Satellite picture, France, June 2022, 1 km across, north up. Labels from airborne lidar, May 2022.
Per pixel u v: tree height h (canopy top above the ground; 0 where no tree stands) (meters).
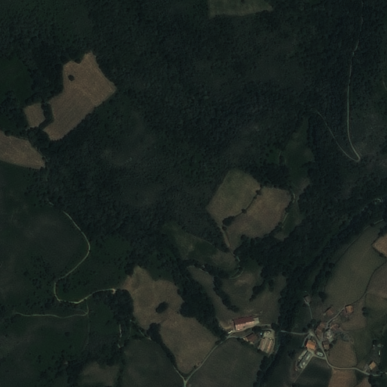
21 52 15
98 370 0
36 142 12
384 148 10
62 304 13
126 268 12
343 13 24
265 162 12
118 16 15
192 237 0
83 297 0
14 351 0
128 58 20
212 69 11
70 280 9
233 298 0
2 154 0
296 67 0
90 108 0
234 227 0
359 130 0
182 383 0
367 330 0
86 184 17
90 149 9
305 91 13
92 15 10
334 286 0
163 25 19
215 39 10
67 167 20
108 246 0
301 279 19
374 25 12
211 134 7
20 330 0
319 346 0
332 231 11
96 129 6
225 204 0
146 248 8
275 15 6
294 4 19
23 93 0
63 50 7
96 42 11
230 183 0
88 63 0
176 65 15
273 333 0
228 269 0
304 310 0
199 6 7
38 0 8
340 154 10
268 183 15
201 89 19
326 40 24
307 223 13
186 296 21
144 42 14
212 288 0
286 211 7
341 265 0
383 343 0
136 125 0
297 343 0
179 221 6
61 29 9
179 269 12
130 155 0
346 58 15
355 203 23
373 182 12
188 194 6
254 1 0
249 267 0
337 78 18
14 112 23
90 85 0
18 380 0
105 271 0
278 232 10
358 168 9
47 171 14
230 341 0
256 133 8
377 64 8
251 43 6
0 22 7
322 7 19
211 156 7
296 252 22
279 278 0
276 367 11
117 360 6
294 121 9
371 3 15
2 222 0
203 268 7
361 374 0
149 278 0
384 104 11
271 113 7
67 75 0
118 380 7
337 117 12
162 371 0
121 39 11
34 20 7
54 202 10
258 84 8
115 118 6
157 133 6
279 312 0
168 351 18
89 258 5
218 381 0
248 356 0
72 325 0
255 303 0
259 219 0
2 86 0
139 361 0
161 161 8
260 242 13
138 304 0
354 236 16
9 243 0
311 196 25
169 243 15
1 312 10
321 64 19
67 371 7
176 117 18
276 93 14
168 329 0
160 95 12
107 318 0
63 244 0
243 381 0
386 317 0
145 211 7
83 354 7
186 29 10
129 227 16
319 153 25
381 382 0
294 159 0
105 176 11
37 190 7
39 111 0
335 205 23
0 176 0
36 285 8
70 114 0
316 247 29
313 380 0
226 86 7
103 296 12
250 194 0
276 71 0
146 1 14
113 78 17
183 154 9
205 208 5
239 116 13
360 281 0
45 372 10
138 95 10
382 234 13
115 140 7
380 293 0
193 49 7
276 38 6
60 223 0
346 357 0
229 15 0
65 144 15
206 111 15
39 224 0
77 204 17
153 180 7
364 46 9
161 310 13
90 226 13
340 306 0
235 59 15
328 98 12
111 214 19
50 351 0
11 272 0
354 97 0
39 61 15
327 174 12
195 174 7
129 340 10
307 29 13
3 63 0
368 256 0
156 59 21
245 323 0
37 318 0
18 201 0
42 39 12
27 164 0
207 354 0
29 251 0
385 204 18
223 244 8
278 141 11
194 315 22
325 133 12
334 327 0
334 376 0
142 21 21
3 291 0
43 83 20
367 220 19
